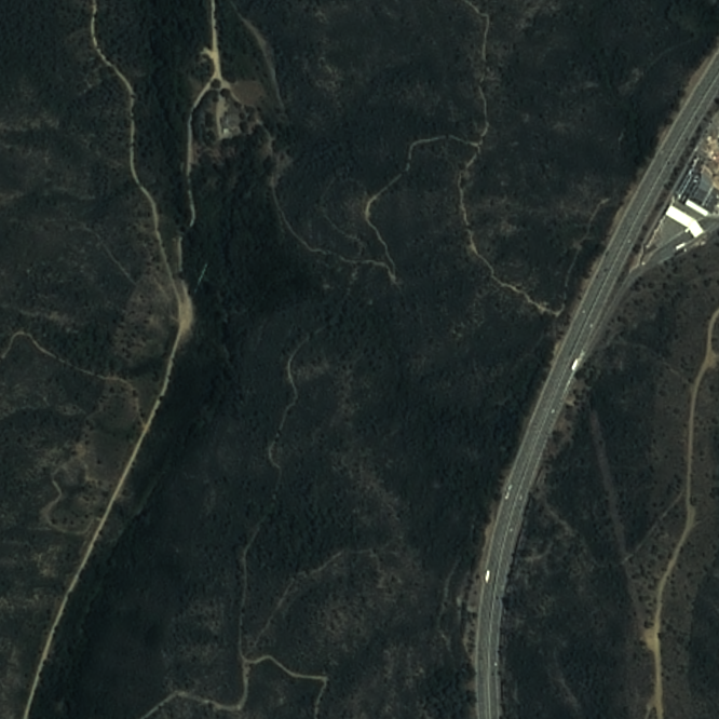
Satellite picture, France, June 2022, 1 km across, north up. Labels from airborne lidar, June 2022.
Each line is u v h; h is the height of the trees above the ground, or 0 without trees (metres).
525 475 0
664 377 7
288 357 9
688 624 0
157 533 7
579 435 10
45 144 7
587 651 7
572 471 7
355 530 7
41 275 13
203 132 10
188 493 6
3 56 9
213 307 15
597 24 7
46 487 0
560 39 0
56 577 0
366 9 0
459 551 11
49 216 0
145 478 7
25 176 0
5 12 19
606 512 9
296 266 14
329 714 7
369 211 0
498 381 9
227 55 11
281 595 7
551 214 0
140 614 7
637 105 6
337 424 0
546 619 6
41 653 7
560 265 6
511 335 8
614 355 8
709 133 0
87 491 7
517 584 7
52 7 15
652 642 0
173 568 8
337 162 10
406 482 8
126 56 17
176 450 12
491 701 0
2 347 9
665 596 0
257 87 0
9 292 0
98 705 6
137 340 14
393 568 0
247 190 11
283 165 0
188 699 0
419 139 7
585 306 0
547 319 7
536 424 0
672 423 0
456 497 10
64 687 17
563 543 8
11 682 0
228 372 20
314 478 7
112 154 11
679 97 7
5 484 10
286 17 7
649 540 0
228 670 0
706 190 0
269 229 18
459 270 8
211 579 7
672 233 0
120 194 14
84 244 0
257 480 7
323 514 9
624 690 7
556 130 0
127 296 10
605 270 0
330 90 0
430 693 10
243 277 22
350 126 8
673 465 0
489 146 0
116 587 8
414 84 7
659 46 8
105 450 0
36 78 6
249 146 15
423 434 7
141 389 0
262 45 0
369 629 0
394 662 0
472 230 7
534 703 7
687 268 0
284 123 8
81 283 7
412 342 8
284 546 9
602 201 0
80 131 9
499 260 6
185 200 21
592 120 0
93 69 8
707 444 0
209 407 17
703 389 0
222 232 16
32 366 0
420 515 7
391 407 9
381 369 19
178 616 8
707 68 0
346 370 12
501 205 0
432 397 12
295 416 8
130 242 8
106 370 8
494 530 0
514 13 0
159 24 27
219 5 16
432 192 8
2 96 6
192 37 7
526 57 0
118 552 11
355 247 8
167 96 21
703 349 0
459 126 8
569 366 0
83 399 10
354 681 8
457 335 7
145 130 13
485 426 8
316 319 7
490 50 0
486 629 0
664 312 8
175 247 0
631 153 9
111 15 17
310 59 7
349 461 0
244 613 8
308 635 9
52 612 9
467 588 7
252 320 12
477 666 0
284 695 0
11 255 0
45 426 9
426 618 0
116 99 14
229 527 9
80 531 0
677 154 0
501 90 8
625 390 7
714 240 0
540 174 7
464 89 0
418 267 7
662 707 0
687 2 13
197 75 9
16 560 8
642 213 0
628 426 9
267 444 7
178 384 11
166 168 6
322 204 7
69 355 10
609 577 7
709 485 0
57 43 17
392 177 8
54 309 8
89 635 10
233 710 0
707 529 0
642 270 0
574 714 7
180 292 0
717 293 0
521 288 7
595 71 9
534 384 13
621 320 8
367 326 13
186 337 0
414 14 0
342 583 7
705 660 7
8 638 6
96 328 9
